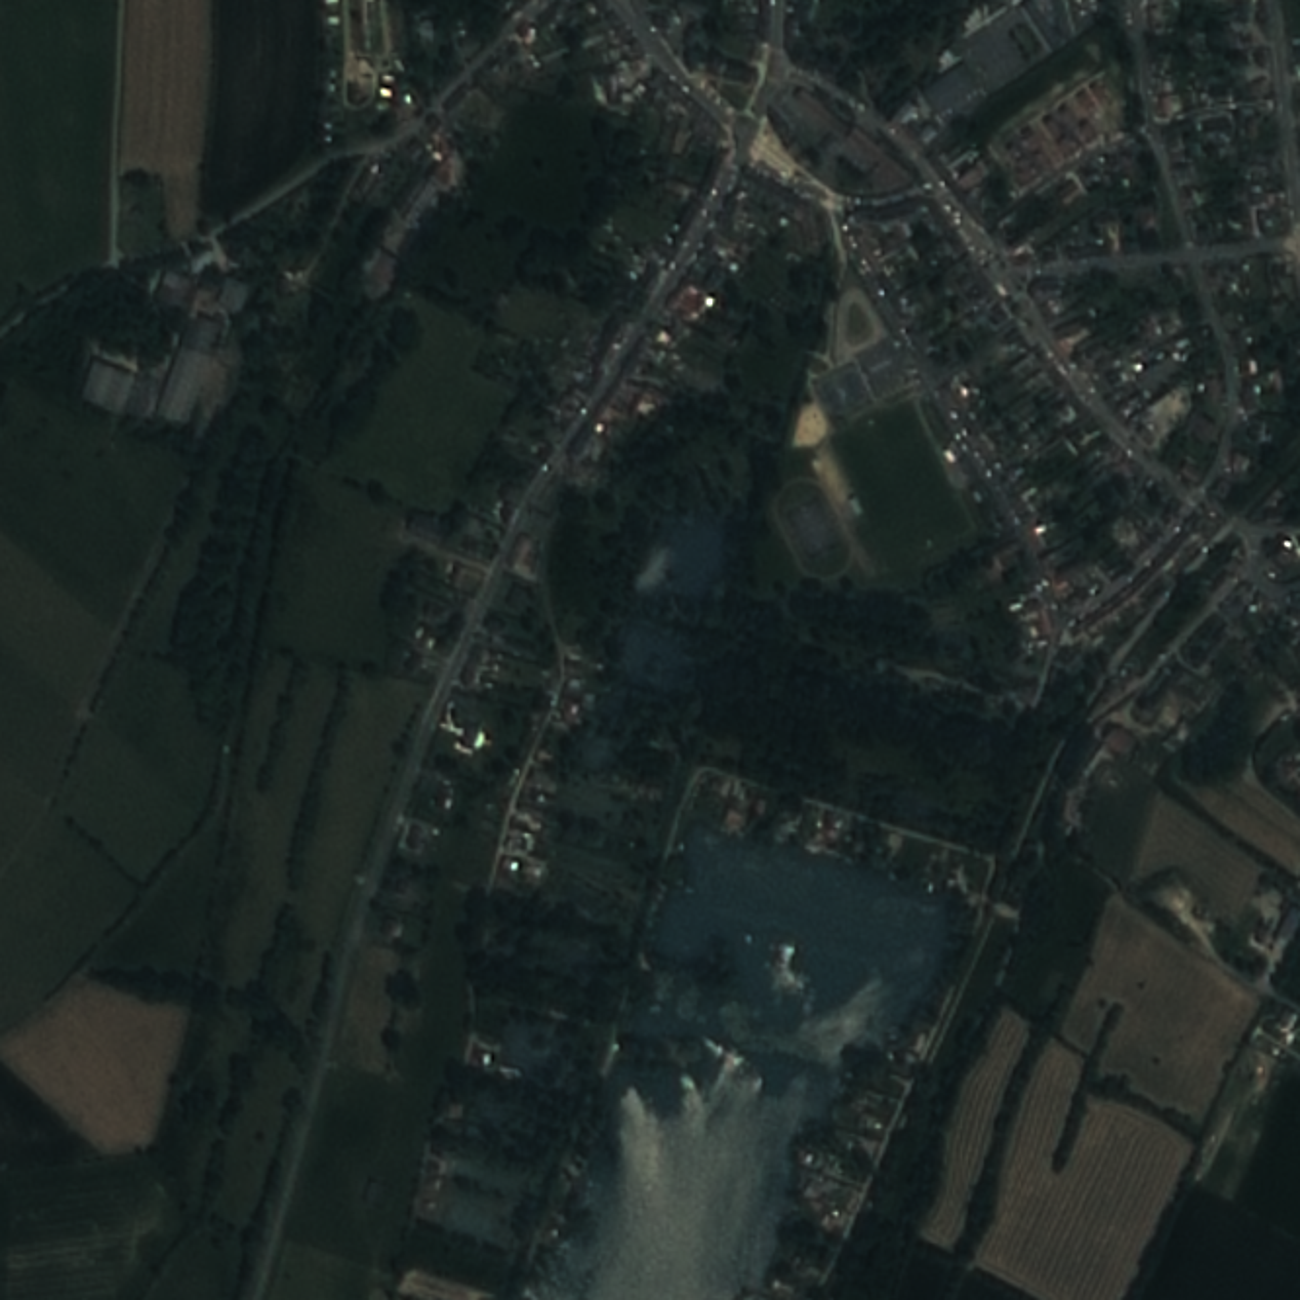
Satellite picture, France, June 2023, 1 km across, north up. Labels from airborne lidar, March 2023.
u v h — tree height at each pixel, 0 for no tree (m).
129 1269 0
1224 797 0
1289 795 5
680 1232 0
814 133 0
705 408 7
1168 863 0
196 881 0
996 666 0
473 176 11
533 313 0
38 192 0
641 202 0
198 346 0
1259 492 0
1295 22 0
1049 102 0
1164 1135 0
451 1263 0
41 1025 0
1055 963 0
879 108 8
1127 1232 0
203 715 10
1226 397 0
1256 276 0
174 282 0
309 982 0
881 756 0
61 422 0
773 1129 0
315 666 0
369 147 0
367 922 0
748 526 24
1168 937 0
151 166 0
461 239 0
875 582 0
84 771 0
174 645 11
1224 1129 0
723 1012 0
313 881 0
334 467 0
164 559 6
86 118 0
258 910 0
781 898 0
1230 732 24
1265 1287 0
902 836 0
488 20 10
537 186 0
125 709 0
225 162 0
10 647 0
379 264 0
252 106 0
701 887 0
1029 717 11
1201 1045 0
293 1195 0
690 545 0
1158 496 16
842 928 0
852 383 0
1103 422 0
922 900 0
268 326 17
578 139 0
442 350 0
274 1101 0
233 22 0
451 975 0
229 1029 0
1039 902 13
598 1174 0
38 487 0
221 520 13
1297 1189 0
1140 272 0
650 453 14
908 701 23
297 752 0
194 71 0
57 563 0
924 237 10
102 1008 0
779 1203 0
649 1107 0
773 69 0
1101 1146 0
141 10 0
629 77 0
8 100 0
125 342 19
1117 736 0
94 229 0
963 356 17
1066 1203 0
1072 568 0
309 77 0
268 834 0
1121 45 14
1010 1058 0
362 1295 0
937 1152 13
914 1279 0
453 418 0
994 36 0
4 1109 0
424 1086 0
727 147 0
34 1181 0
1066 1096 0
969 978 0
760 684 31
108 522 0
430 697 0
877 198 0
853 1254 18
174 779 0
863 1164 19
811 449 0
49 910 0
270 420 12
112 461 0
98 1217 0
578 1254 0
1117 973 0
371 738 0
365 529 0
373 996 0
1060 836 15
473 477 7
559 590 0
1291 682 0
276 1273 0
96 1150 0
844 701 32
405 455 0
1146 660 0
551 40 0
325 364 0
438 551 0
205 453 16
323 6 7
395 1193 0
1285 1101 0
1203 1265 0
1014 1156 0
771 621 26
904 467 0
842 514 0
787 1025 0
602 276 6
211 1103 13
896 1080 0
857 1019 0
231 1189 0
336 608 0
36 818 0
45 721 0
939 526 0
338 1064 0
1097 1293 0
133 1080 0
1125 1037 0
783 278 0
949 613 0
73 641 0
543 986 9
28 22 0
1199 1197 0
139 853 0
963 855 0
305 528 0
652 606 17
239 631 12
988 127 0
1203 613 0
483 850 0
